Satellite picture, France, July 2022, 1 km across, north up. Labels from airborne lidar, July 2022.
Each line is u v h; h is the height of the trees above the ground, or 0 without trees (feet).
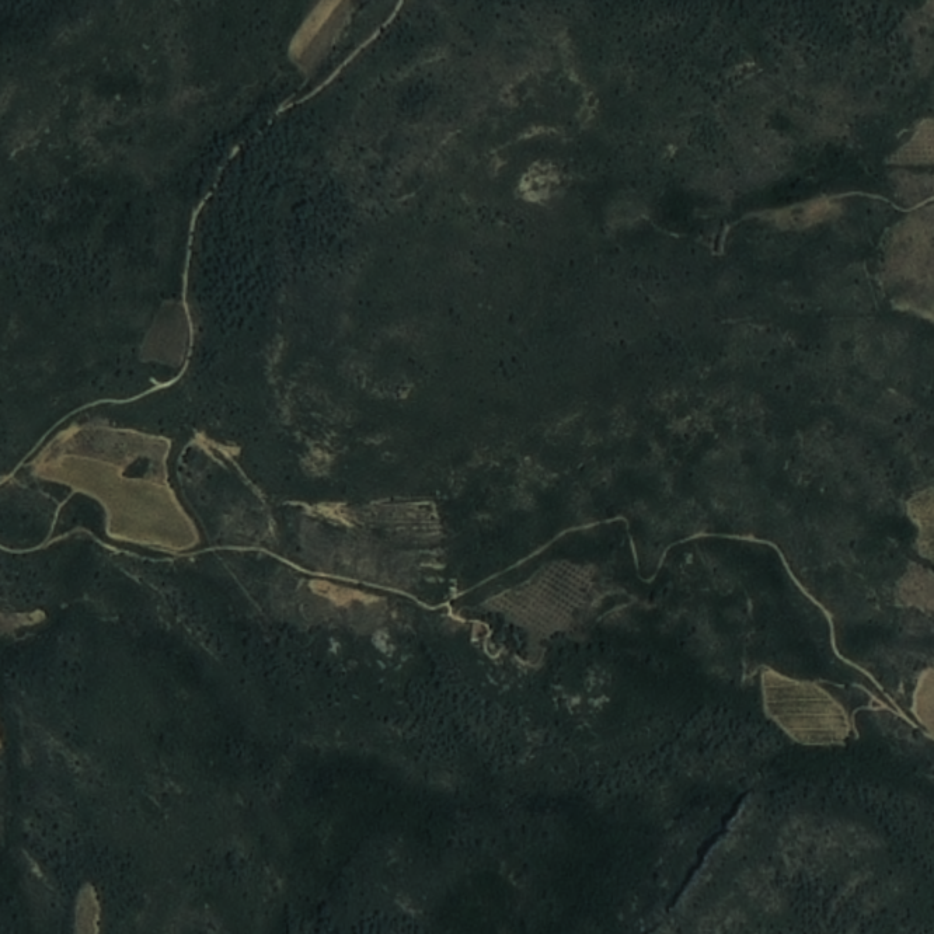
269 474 0
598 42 0
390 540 0
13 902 41
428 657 37
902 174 0
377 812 21
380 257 0
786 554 0
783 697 0
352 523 0
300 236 26
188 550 0
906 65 23
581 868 17
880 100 28
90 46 0
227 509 0
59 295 19
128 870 24
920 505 0
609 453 0
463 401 0
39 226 35
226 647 26
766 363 26
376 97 0
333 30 0
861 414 0
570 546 0
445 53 0
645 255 0
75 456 0
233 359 0
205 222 20
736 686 37
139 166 0
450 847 21
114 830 0
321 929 27
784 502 0
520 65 0
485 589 0
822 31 30
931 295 0
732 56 35
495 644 37
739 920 0
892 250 0
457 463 0
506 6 21
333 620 0
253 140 41
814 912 37
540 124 0
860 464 0
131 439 0
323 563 0
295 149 22
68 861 28
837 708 0
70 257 20
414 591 0
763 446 0
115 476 0
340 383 0
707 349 0
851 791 25
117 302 26
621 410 0
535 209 0
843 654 0
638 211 0
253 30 19
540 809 24
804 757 36
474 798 31
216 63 0
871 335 0
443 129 0
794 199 22
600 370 0
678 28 26
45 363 0
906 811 23
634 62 25
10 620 0
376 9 0
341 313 0
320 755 39
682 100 31
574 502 0
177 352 0
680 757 44
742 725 40
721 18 25
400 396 30
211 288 18
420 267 0
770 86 0
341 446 0
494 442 0
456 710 25
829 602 0
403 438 0
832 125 0
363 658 0
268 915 30
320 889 19
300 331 0
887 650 0
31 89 0
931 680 0
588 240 0
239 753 46
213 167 31
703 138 20
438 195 0
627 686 0
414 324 0
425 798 26
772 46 28
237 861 51
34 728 0
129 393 0
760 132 0
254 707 0
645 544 19
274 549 0
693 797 19
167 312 0
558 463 0
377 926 31
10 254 31
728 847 0
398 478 0
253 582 0
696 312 0
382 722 28
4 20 18
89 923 0
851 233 0
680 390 0
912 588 0
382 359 0
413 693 35
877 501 0
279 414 0
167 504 0
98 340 21
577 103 0
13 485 0
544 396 0
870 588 0
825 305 0
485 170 0
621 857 18
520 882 30
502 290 0
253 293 32
